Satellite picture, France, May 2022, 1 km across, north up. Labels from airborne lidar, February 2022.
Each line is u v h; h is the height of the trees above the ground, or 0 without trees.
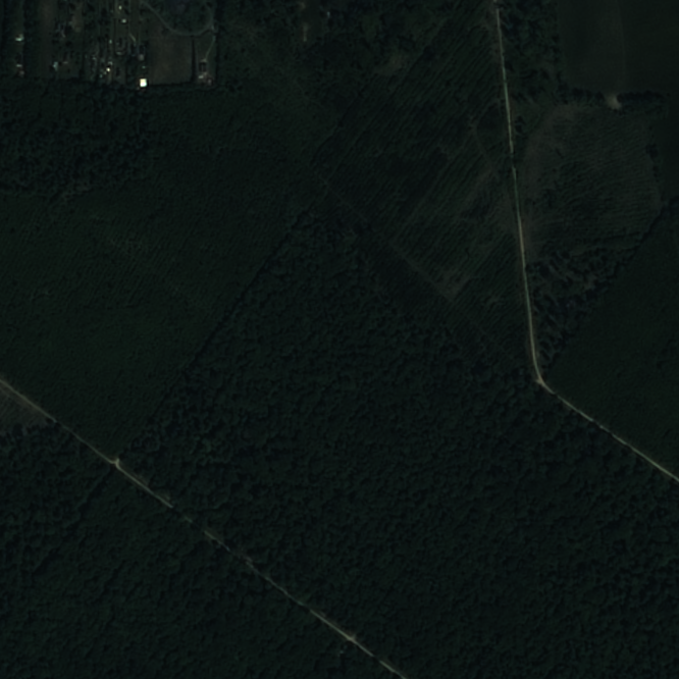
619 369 10
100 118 10
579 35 0
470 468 18
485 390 21
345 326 23
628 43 0
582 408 12
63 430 14
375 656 20
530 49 30
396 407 24
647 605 30
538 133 0
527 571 24
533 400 25
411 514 21
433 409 21
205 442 24
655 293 14
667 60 0
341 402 21
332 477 24
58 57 0
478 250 0
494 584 25
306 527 0
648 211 0
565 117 0
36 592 23
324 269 22
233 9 16
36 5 13
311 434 23
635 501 28
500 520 21
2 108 19
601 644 24
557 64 24
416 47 28
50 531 22
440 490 21
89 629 23
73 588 20
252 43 0
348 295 22
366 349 24
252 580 27
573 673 25
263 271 19
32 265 6
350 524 24
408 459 21
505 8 14
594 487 24
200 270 5
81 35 0
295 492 24
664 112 19
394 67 0
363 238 24
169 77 0
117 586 22
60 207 9
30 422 0
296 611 22
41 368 13
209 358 22
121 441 0
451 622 20
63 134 23
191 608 24
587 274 9
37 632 21
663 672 20
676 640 22
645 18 0
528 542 26
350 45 9
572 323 28
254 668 20
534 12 27
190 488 23
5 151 19
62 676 22
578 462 30
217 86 10
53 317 10
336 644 17
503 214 0
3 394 0
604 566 23
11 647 24
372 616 19
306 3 0
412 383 21
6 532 27
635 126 0
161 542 19
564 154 0
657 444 10
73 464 19
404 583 21
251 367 27
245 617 21
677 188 0
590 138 0
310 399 24
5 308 8
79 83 16
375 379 22
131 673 22
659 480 24
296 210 15
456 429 21
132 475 0
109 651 21
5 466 23
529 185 0
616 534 23
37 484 24
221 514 21
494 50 0
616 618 24
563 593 26
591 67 0
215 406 24
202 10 12
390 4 24
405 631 20
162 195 8
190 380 26
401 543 19
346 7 0
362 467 21
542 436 24
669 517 25
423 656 22
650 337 11
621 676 26
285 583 22
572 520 28
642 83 0
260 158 10
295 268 24
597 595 27
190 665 20
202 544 25
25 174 22
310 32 0
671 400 11
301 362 21
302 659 19
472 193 0
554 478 30
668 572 31
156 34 0
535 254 0
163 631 21
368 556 23
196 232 7
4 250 6
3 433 0
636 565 30
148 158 23
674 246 13
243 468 26
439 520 17
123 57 6
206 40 0
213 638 23
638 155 0
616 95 0
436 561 18
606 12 0
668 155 0
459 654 23
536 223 0
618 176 0
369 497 23
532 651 26
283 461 29
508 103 0
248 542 24
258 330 22
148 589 22
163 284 7
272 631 20
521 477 26
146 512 23
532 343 0
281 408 28
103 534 23
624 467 25
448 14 26
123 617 21
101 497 21
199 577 23
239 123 9
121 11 0
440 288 0
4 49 13
